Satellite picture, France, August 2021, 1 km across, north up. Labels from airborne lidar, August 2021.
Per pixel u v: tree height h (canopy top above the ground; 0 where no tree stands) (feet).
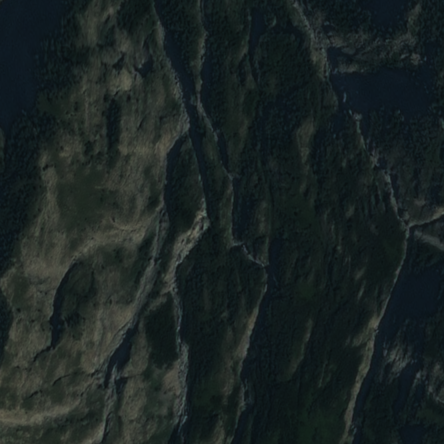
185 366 0
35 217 24
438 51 27
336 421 0
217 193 26
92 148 31
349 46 0
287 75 31
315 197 0
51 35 22
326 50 0
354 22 29
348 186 34
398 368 0
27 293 0
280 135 22
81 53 23
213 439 0
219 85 34
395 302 20
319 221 0
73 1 27
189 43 18
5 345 0
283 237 22
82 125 20
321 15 23
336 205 27
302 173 0
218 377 0
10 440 0
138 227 0
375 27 29
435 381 0
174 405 0
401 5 26
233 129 0
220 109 29
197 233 0
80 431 0
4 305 19
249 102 21
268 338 20
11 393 0
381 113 20
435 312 21
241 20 22
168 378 0
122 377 0
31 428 0
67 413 0
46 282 0
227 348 0
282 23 33
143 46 0
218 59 22
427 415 0
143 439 0
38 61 43
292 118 21
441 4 57
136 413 0
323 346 21
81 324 31
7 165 21
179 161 22
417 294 21
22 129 24
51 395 0
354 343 0
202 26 57
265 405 21
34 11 30
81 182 0
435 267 24
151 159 0
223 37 31
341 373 17
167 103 0
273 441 0
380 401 19
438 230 0
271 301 21
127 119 23
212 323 25
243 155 30
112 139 25
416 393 0
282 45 24
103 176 0
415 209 0
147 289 0
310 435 0
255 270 19
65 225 0
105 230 0
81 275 0
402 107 21
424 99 19
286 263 29
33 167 0
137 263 0
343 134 20
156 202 20
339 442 0
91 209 0
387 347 0
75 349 0
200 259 20
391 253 0
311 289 0
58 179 0
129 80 0
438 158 0
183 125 0
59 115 0
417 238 0
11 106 27
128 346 0
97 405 0
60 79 32
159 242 0
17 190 0
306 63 21
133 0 37
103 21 0
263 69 37
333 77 0
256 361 33
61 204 0
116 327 0
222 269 27
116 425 0
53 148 0
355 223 38
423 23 67
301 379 17
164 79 20
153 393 0
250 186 0
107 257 0
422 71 26
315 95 20
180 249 0
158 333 19
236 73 20
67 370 0
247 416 20
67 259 0
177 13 29
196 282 28
